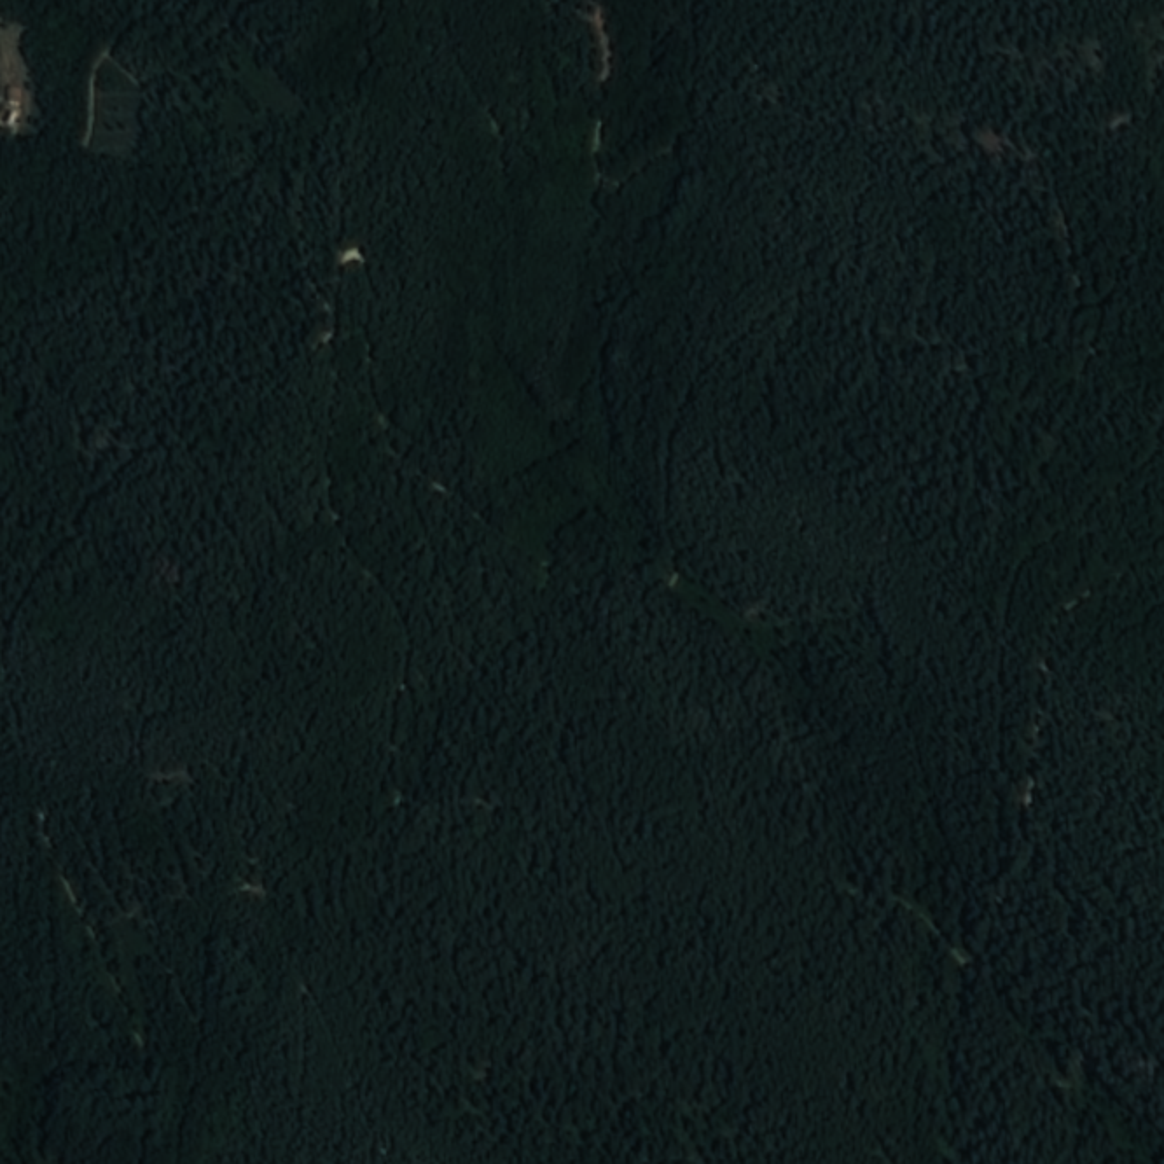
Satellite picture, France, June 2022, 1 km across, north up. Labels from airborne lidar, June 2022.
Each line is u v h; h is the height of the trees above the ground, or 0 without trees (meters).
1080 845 25
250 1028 17
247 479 25
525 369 27
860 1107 28
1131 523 7
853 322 24
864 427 23
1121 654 10
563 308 32
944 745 25
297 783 30
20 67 0
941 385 29
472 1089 14
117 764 14
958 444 14
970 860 20
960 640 28
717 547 23
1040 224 25
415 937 21
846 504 21
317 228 12
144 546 24
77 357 25
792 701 29
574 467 23
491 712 21
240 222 17
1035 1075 28
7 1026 33
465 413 19
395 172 22
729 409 24
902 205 24
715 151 26
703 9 16
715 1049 29
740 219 25
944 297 27
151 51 22
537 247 25
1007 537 8
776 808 30
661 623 25
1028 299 19
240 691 28
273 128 7
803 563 15
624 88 25
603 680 30
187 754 17
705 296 22
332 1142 22
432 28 19
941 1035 27
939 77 20
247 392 22
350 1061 23
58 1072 14
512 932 29
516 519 20
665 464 21
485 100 22
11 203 24
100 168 24
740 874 30
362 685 28
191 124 17
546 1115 22
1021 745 24
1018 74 22
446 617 25
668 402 27
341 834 25
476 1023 29
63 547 15
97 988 30
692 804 20
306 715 28
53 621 21
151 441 27
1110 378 13
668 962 29
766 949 32
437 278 26
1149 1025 31
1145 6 9
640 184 13
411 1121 25
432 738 23
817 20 22
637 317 27
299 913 24
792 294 23
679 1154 24
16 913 14
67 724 18
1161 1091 33
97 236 22
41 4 10
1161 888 25
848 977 24
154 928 14
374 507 19
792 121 28
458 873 21
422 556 7
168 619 17
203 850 18
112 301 28
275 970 21
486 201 27
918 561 18
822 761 34
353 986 29
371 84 22
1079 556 8
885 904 32
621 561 35
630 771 27
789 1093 29
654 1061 31
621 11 24
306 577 33
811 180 18
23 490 28
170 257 22
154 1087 35
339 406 20
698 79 25
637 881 27
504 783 20
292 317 15
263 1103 21
